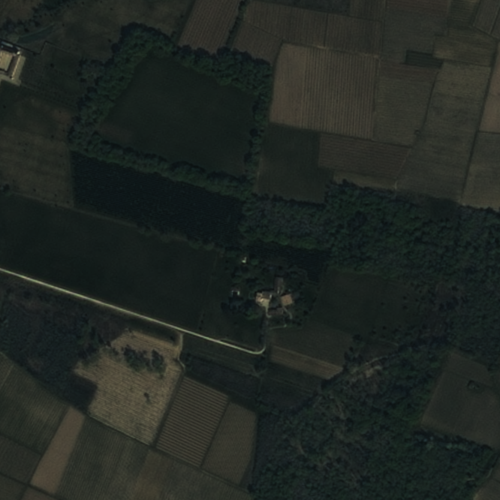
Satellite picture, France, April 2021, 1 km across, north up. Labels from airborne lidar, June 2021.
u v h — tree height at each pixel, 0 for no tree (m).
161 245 0
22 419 0
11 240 0
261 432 11
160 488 0
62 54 0
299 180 0
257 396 11
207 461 0
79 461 0
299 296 12
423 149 0
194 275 0
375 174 0
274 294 0
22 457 0
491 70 0
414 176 0
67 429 0
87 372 0
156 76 0
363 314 0
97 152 16
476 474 19
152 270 0
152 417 0
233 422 0
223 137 0
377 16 0
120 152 19
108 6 0
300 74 0
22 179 0
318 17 0
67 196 0
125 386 0
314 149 0
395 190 0
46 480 0
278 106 0
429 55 0
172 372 0
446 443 14
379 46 0
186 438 0
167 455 0
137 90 0
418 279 12
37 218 0
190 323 0
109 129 0
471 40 0
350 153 0
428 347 22
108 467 0
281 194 0
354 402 22
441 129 0
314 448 17
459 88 0
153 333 0
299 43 0
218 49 0
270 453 12
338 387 20
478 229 20
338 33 0
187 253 0
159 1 0
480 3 0
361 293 0
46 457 0
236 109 0
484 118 0
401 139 0
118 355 17
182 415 0
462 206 8
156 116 0
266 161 0
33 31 0
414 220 21
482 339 11
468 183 0
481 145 0
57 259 0
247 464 0
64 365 25
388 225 33
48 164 0
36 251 0
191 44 0
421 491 17
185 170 17
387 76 0
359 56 0
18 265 0
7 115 0
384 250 20
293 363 0
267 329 15
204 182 19
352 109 0
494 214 20
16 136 0
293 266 7
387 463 20
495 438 0
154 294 0
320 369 0
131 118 0
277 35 0
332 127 0
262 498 15
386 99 0
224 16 0
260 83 23
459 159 0
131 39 29
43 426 0
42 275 0
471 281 23
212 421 0
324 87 0
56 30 0
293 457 18
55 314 8
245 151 0
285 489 20
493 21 0
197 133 0
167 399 0
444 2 0
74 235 0
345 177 0
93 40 0
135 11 0
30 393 0
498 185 0
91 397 16
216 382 7
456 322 23
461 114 0
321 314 0
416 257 17
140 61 16
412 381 18
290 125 0
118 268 0
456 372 0
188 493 0
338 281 0
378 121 0
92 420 0
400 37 0
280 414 13
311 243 26
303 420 20
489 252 20
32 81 0
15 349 13
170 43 22
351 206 24
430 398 14
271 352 0
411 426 17
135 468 0
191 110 0
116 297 0
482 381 0
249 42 0
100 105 17
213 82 0
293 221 18
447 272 20
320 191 0
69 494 0
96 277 0
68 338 26
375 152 0
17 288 6
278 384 7
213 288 0
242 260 17
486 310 19
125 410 0
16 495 0
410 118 0
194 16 0
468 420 0
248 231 20
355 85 0
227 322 0
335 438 20
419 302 8
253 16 0
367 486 19
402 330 8
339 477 23
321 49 0
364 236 19
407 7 0
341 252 17
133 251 0
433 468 23
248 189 22
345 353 0
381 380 17
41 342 25
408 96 0
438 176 0
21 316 15
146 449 0
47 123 0
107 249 0
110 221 0
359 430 24
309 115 0
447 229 13
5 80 0
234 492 0
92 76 7
